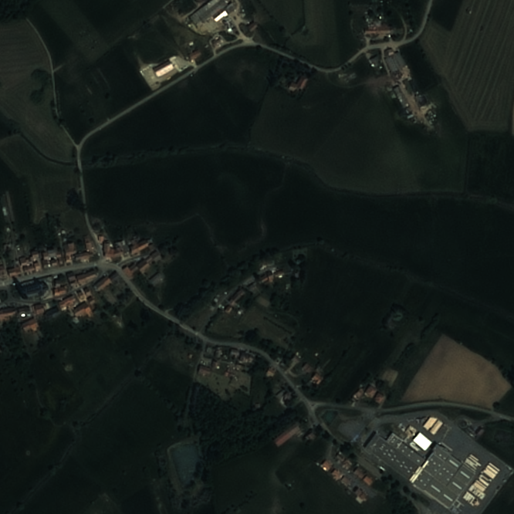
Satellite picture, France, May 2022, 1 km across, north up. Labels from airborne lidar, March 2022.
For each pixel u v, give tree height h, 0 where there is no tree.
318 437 6
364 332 0
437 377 0
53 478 0
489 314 0
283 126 0
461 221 0
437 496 0
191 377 0
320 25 0
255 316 0
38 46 0
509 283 0
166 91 0
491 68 0
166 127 0
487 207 0
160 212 0
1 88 0
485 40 0
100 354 0
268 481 0
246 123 0
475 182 0
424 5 0
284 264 0
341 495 0
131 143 0
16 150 0
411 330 0
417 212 0
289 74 8
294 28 0
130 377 0
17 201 0
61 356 0
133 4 0
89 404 0
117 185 0
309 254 0
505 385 0
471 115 0
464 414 0
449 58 0
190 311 21
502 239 0
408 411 0
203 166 0
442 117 0
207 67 0
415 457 0
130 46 0
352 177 0
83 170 0
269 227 0
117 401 0
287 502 0
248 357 0
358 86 0
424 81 0
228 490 0
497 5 0
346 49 0
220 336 0
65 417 0
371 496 0
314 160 0
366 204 0
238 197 0
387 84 0
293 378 0
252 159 0
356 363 0
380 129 0
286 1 0
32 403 0
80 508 0
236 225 0
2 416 0
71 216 0
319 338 0
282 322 0
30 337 0
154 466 0
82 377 0
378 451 0
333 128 0
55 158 0
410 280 0
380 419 0
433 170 0
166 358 0
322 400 0
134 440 0
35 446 0
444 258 0
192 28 0
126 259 0
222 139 0
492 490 0
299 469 0
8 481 0
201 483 0
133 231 0
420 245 0
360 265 0
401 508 7
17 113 0
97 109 0
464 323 0
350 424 0
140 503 0
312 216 0
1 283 0
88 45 0
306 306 0
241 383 0
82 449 0
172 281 0
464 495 0
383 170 0
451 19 0
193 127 0
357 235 0
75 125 0
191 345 16
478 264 0
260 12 0
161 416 0
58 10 0
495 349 0
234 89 0
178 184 0
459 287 0
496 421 0
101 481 0
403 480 0
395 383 0
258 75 0
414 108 0
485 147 0
